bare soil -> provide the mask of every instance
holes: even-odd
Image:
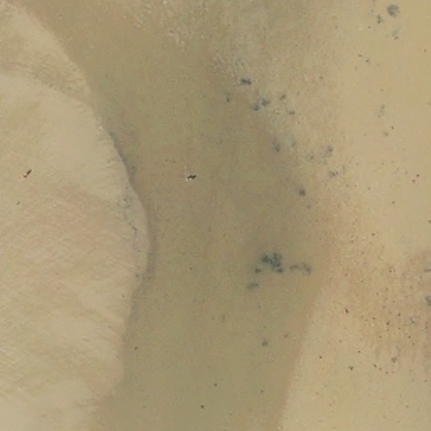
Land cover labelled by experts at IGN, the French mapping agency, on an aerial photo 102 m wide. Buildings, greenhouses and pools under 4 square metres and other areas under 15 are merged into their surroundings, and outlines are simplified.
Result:
[[[431,431],[431,0],[0,0],[0,431]]]

